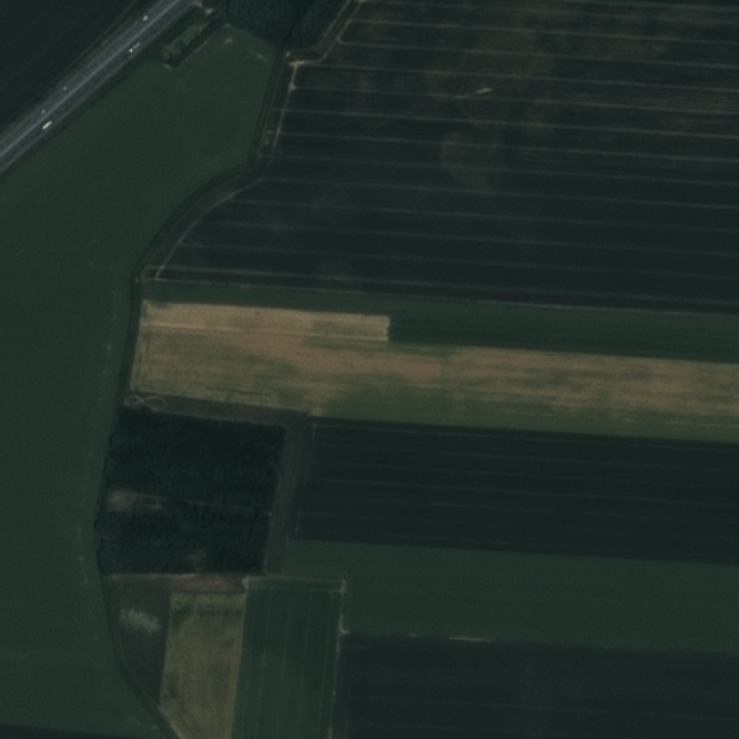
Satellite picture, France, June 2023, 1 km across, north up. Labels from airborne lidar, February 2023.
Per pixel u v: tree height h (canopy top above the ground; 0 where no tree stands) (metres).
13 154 0
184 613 0
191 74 0
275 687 0
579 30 0
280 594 0
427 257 0
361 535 0
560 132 0
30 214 0
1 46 0
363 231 0
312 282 0
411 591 0
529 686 0
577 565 0
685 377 0
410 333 0
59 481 0
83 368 0
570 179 0
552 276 0
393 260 0
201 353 0
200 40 9
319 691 0
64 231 0
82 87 0
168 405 0
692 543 0
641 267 0
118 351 0
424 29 0
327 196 0
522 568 0
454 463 0
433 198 0
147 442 11
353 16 0
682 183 0
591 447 0
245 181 0
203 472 10
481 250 0
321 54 0
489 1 0
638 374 0
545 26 0
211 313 0
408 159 0
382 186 0
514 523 0
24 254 0
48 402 0
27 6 0
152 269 0
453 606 0
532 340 0
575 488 0
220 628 0
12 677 0
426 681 0
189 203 0
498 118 0
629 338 0
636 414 0
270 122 0
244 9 17
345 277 0
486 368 0
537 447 0
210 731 0
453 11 0
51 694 0
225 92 0
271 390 0
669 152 0
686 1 0
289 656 0
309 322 0
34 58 0
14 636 0
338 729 0
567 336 0
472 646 0
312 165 0
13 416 0
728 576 0
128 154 0
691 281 0
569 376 0
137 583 0
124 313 0
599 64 0
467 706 0
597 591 0
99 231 0
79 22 0
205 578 0
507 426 0
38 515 0
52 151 0
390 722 0
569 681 0
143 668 0
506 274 0
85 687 0
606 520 0
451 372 0
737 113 0
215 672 0
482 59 0
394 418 0
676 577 0
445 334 0
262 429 7
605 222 0
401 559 0
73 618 0
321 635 0
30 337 0
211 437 6
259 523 14
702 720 0
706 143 0
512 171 0
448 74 0
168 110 0
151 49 0
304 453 0
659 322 0
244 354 0
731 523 0
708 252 0
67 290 0
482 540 0
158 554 18
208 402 0
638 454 0
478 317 0
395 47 0
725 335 0
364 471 0
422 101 0
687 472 0
